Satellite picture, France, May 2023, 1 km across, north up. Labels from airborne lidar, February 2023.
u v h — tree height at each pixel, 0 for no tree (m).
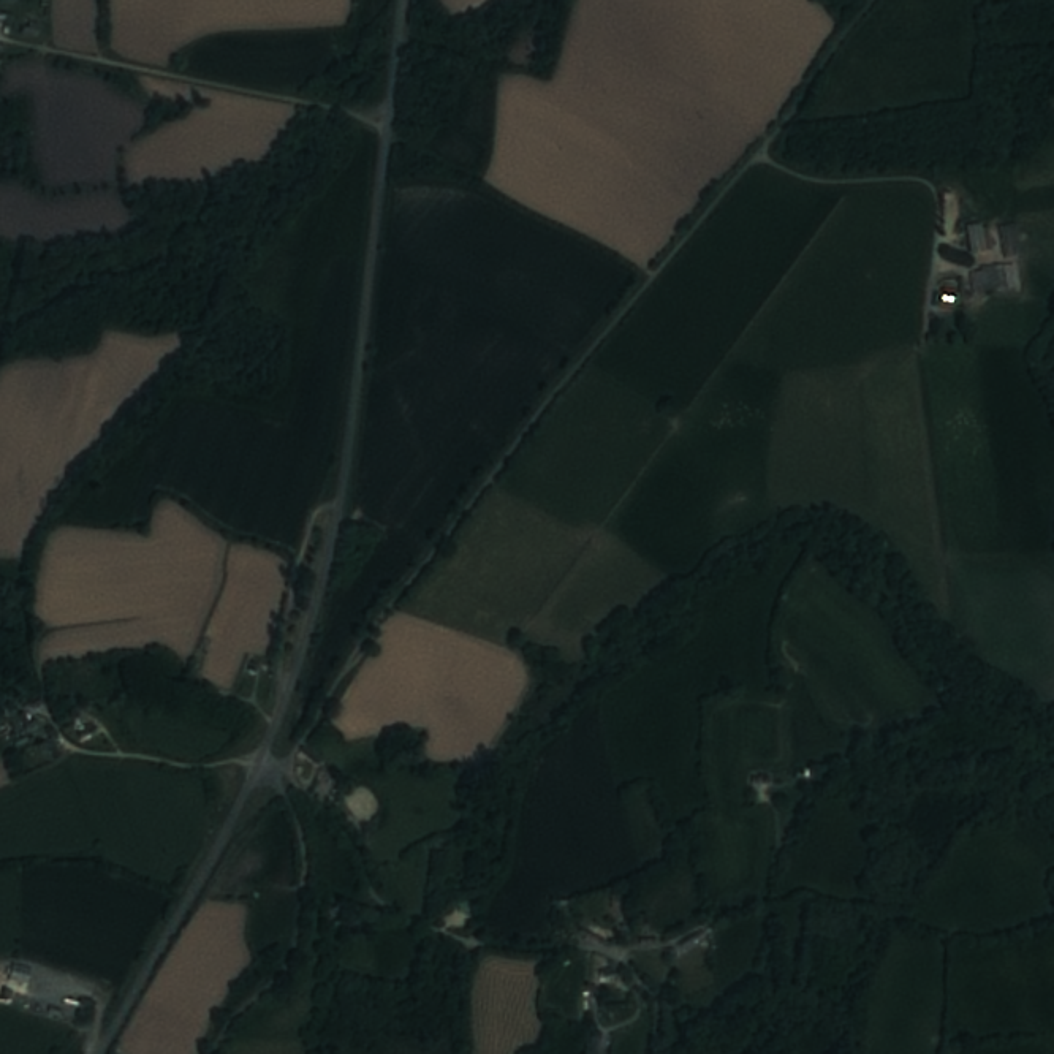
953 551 0
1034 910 0
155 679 11
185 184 9
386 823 0
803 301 0
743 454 0
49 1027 0
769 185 0
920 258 0
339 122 20
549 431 0
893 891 12
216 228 17
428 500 0
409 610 0
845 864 0
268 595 0
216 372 9
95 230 0
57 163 0
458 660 0
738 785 0
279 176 10
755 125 0
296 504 0
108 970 0
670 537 0
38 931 0
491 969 0
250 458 0
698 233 0
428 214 0
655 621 19
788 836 13
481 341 0
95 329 16
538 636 0
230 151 0
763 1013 18
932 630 17
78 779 0
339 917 7
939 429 0
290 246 0
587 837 0
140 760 0
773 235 0
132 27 0
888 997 0
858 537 15
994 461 0
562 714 11
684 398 0
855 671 0
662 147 0
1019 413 0
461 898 7
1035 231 0
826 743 0
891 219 0
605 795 0
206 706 11
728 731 0
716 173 0
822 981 12
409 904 0
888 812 13
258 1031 0
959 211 0
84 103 0
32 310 9
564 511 0
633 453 0
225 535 9
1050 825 13
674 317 0
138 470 0
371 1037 6
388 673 0
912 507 0
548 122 0
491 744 0
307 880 9
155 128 7
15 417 0
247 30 0
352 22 7
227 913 0
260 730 0
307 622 0
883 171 7
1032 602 0
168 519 0
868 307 0
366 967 0
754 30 0
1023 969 0
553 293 0
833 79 0
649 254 0
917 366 0
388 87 0
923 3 0
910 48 0
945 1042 7
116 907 0
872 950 10
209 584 0
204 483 0
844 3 7
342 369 0
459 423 0
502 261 0
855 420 0
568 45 0
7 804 0
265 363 18
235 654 0
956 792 22
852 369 0
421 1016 6
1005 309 0
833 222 0
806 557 8
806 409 0
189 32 0
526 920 0
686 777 0
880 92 0
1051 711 16
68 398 0
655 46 0
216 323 13
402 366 0
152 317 8
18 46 0
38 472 0
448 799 0
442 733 0
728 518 0
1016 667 0
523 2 13
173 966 0
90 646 0
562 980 0
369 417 0
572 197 0
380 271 0
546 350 0
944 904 0
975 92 8
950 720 6
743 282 0
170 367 18
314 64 0
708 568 12
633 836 0
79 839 0
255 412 0
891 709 0
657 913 0
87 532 0
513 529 0
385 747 17
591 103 0
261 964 11
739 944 0
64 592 0
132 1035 0
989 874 0
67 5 0
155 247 29
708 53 0
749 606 0
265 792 0
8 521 0
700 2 0
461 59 12
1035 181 0
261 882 0
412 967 10
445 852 8
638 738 0
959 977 0
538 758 0
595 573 0
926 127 8
